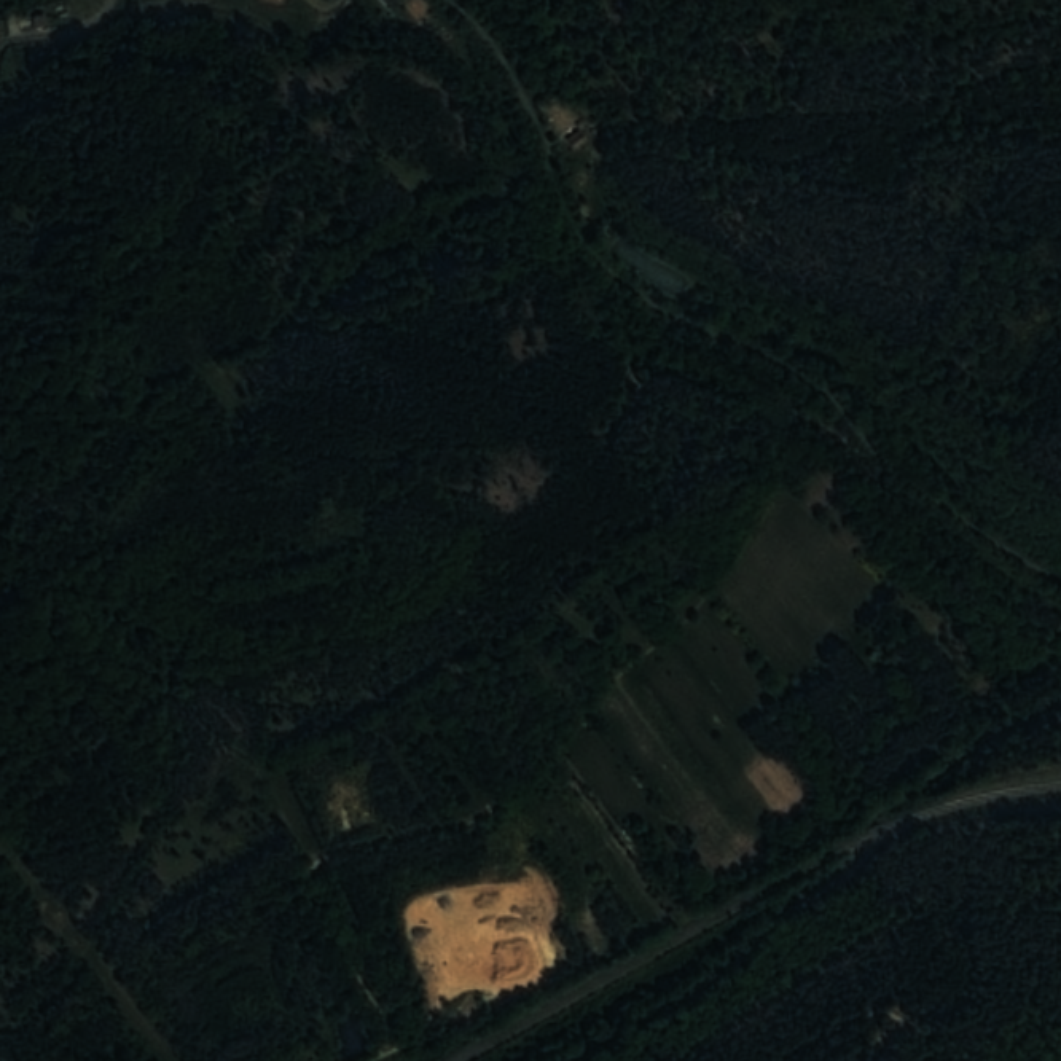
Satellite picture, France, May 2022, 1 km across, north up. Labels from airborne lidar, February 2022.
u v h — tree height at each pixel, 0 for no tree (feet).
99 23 0
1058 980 91
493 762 73
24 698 98
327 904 59
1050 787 0
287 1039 51
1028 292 62
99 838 57
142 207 89
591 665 60
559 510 55
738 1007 58
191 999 27
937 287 94
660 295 35
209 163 67
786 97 25
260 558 51
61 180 73
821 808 90
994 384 19
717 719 0
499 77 53
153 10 0
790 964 61
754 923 86
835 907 59
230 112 97
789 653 0
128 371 84
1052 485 89
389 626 28
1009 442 79
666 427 72
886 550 70
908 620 66
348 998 82
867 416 78
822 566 0
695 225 94
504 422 58
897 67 66
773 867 71
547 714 62
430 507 56
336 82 0
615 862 0
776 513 0
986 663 90
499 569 40
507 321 21
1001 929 85
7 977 36
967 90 38
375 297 83
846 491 71
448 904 0
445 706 68
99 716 73
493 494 0
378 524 57
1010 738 88
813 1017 47
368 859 53
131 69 98
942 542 77
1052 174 77
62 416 88
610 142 85
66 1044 45
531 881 0
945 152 78
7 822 73
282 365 88
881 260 98
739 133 47
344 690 29
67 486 39
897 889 53
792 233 91
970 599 69
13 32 0
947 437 55
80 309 85
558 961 0
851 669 86
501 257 75
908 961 45
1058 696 68
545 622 76
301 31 0
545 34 76
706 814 0
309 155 69
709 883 59
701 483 96
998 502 75
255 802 34
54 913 0
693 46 89
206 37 61
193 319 48
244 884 80
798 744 81
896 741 118
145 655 104
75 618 88
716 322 76
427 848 51
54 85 87
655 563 67
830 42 78
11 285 80
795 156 27
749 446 86
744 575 0
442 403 68
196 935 74
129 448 79
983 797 0
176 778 67
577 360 50
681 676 0
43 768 53
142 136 93
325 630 50
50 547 53
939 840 83
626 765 0
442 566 49
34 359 87
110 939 80
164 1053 0
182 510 57
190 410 98
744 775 0
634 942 45
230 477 53
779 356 63
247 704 59
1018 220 72
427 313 54
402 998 62
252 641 39
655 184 81
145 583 91
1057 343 24
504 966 0
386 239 58
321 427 43
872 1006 26
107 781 51
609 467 66
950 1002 44
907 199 82
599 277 77
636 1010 59
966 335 88
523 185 72
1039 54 26
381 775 31
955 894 72
